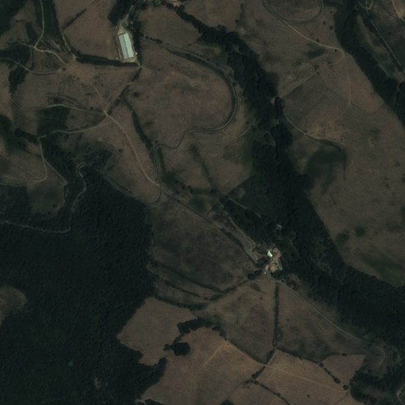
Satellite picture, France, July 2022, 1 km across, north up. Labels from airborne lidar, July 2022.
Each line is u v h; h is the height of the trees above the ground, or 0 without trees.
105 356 10
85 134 0
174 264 0
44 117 0
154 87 0
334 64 0
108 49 0
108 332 17
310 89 0
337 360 0
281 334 0
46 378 15
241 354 0
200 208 0
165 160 0
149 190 0
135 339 0
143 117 0
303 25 0
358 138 0
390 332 13
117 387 12
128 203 19
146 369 17
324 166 0
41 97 0
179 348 24
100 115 0
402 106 9
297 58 0
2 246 15
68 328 7
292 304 0
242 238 0
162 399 0
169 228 0
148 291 12
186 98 0
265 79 22
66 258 15
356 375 7
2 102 0
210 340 0
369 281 7
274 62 0
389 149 0
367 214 0
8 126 13
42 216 10
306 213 15
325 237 7
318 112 0
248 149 0
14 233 14
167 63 0
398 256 0
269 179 13
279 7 0
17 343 17
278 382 0
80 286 11
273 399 0
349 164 0
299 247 17
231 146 0
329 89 0
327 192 0
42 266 6
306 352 0
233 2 0
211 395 0
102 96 0
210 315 0
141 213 10
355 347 0
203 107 0
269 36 0
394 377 11
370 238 0
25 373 19
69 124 0
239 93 0
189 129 0
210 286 0
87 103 0
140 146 0
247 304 0
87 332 16
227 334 0
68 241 16
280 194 17
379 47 0
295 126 0
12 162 0
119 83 0
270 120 23
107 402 13
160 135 0
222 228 6
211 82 0
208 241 0
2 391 15
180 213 0
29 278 8
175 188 0
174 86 0
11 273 15
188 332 14
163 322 0
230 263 0
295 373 0
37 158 0
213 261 0
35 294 9
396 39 0
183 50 0
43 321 17
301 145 0
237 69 20
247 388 0
